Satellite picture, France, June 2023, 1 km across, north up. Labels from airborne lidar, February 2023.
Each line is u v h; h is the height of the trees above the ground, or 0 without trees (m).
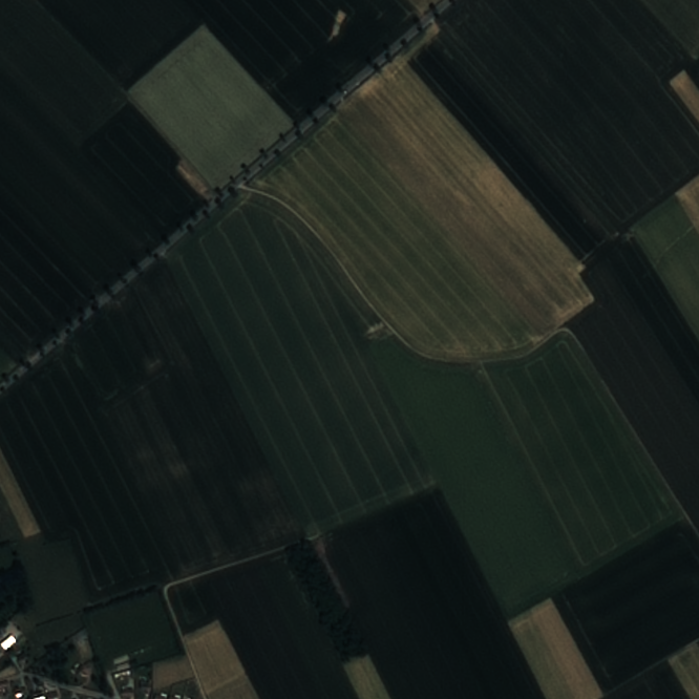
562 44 0
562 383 0
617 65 0
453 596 0
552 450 0
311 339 0
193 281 0
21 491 0
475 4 0
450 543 0
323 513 0
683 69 0
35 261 0
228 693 0
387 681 0
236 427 0
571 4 0
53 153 0
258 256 0
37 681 12
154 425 0
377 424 0
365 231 0
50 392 0
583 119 0
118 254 0
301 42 0
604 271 0
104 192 0
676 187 0
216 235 0
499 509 0
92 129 0
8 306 0
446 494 0
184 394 0
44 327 0
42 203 0
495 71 0
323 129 0
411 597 0
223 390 0
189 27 0
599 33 0
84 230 0
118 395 0
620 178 0
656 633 0
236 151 0
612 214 0
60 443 0
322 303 0
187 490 0
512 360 0
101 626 0
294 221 0
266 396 0
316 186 0
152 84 0
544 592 0
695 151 0
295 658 0
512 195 0
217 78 0
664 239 0
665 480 0
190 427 0
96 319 0
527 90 0
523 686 0
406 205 0
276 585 0
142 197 0
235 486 0
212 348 0
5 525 0
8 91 0
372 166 0
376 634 0
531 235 0
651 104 0
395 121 0
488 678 0
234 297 0
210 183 0
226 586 0
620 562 0
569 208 0
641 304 0
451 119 0
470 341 0
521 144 0
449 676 0
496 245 0
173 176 0
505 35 0
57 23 0
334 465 0
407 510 0
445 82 0
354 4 0
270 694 0
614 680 0
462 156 0
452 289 0
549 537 0
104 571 0
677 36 0
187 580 0
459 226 0
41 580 0
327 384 0
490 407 0
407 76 0
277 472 0
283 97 0
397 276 0
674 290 0
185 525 0
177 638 8
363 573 0
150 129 0
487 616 0
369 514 0
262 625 0
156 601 0
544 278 0
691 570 0
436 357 0
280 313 0
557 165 0
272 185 0
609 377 0
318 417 0
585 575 0
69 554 0
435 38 0
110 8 0
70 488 0
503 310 0
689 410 0
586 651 0
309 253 0
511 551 0
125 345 0
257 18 0
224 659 0
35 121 0
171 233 0
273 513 0
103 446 0
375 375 0
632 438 0
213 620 0
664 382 0
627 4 0
